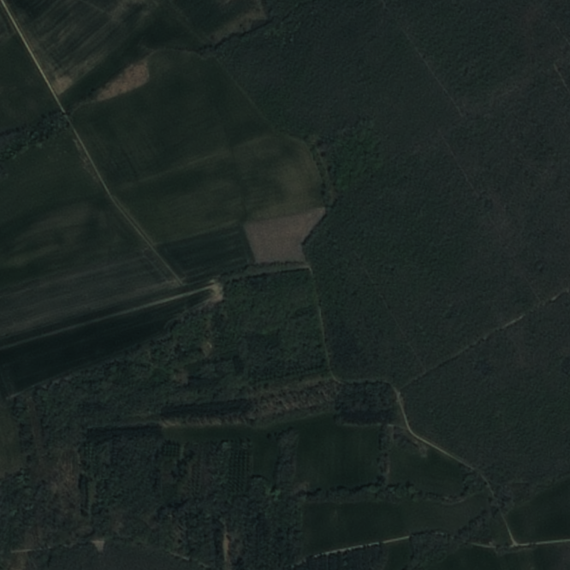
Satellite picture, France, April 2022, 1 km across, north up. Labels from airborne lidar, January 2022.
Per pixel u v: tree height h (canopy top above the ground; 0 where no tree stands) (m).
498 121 12
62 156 0
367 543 0
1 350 0
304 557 19
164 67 0
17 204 0
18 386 0
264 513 16
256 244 0
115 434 14
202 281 0
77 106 0
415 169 10
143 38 0
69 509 0
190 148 0
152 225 0
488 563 0
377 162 17
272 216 0
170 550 12
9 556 20
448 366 9
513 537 0
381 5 13
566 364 7
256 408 18
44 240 0
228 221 0
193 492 0
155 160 0
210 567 13
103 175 0
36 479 0
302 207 0
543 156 12
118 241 0
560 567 0
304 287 14
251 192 0
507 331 10
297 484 0
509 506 23
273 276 12
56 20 0
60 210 0
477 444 9
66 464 0
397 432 11
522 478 9
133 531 18
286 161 0
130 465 18
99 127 0
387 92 12
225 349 12
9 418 0
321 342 13
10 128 0
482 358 9
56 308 0
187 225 0
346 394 16
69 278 0
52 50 0
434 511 0
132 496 18
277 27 15
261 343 13
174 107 0
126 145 0
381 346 13
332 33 12
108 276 0
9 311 0
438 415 9
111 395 16
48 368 0
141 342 0
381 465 15
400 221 14
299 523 15
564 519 0
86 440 11
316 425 0
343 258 13
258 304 17
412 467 0
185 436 0
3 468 0
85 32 0
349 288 11
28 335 0
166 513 26
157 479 18
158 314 0
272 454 0
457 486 0
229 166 0
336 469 0
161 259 0
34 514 20
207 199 0
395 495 15
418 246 11
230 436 0
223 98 0
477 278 12
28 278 0
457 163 8
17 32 0
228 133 0
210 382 18
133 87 0
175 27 0
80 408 14
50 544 16
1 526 17
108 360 0
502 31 16
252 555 17
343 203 10
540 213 0
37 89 0
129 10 0
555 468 10
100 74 0
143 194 0
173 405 10
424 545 13
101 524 14
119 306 0
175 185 0
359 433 0
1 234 0
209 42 0
